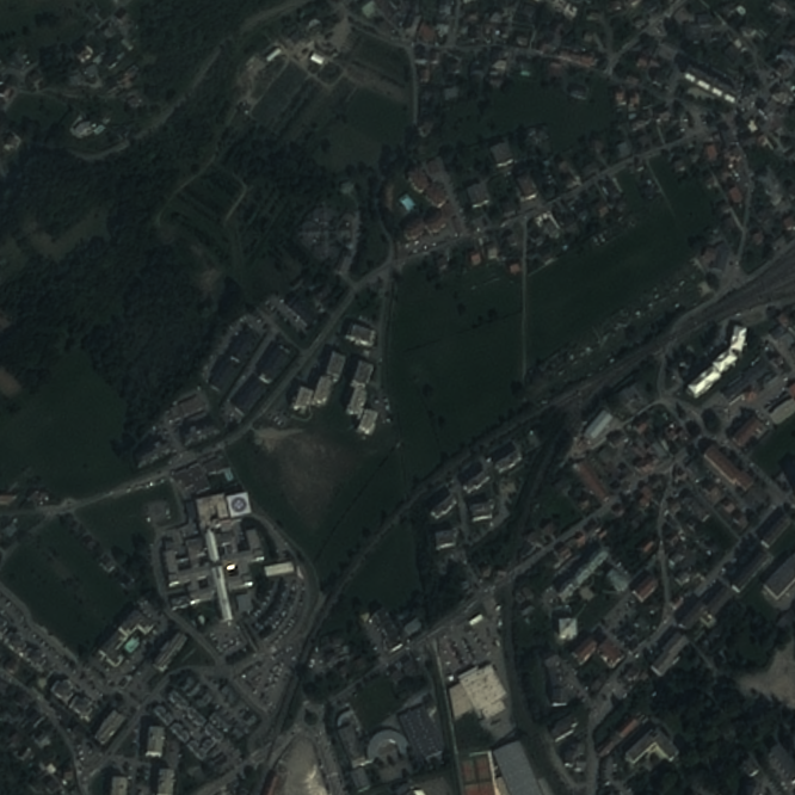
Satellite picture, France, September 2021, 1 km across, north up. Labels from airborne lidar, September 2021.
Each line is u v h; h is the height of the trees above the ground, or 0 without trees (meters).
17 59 0
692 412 0
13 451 0
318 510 0
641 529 18
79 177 11
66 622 0
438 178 0
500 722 0
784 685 0
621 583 0
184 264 0
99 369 9
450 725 0
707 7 0
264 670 0
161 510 0
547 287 0
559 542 0
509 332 0
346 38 0
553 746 0
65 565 0
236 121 0
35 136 15
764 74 0
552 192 13
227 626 0
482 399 0
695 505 0
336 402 0
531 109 0
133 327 15
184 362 13
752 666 9
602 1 6
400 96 0
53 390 0
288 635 0
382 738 0
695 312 0
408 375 0
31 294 11
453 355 0
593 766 0
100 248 20
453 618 0
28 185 15
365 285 0
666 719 21
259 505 0
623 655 7
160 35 17
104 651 0
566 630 0
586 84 6
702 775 20
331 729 10
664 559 0
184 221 9
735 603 7
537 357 0
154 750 0
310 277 9
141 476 0
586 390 0
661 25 0
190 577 0
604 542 6
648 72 0
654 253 0
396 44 0
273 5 6
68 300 20
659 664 0
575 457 0
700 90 0
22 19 0
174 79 12
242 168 14
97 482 0
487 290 0
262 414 0
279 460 0
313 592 0
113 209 11
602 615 0
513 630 6
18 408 8
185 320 9
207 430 0
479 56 8
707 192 0
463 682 0
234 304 15
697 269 0
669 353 0
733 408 0
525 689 12
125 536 0
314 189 16
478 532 6
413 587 0
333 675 8
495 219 11
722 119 7
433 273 6
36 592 0
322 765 0
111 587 0
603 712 0
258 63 0
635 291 0
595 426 0
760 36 0
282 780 0
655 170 0
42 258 11
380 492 0
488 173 14
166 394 11
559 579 0
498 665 0
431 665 9
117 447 0
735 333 0
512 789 0
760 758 13
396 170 16
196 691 0
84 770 0
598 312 0
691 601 0
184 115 13
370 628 0
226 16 16
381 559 0
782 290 0
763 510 6
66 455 0
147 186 22
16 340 22
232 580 0
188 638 7
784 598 0
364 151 0
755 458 0
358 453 0
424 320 0
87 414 0
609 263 0
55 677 0
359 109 0
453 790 0
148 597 8
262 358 0
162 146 13
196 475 0
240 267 0
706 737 25
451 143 0
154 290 17
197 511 0
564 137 0
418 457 0
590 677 7
